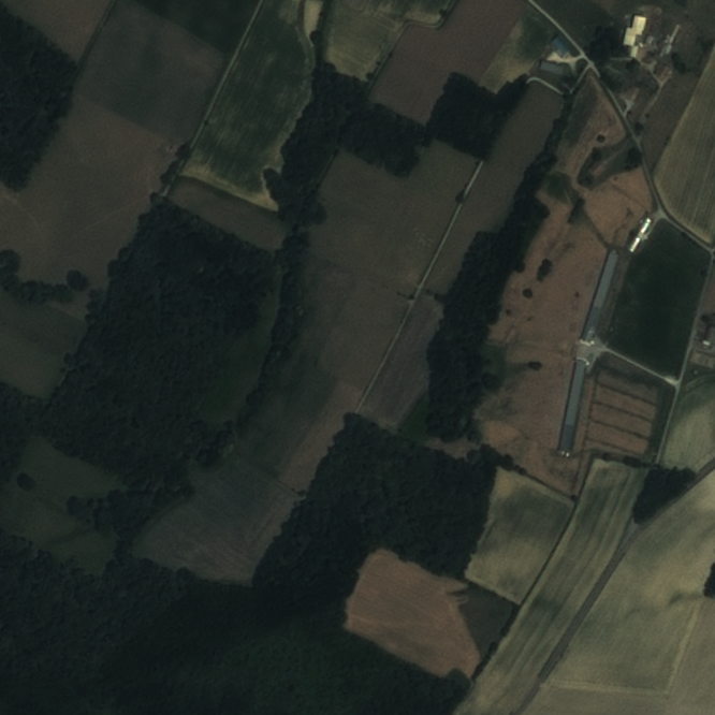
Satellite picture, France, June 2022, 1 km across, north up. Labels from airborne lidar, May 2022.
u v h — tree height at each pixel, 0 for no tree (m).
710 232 0
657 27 0
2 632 15
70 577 15
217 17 0
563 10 0
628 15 0
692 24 0
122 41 0
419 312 0
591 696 0
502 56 0
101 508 21
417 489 22
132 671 9
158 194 11
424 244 0
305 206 24
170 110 0
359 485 20
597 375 0
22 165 23
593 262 0
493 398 0
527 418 0
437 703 7
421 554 11
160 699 10
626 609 0
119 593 19
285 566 14
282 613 12
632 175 0
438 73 0
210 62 0
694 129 0
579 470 0
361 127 20
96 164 0
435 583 0
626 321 0
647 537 0
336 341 0
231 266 25
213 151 0
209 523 0
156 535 0
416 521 21
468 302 15
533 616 0
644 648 0
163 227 22
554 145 13
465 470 28
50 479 0
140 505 31
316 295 0
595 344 0
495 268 13
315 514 21
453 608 0
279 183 28
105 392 16
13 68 26
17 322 0
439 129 14
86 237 0
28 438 13
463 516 20
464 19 0
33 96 24
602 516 0
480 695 0
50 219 0
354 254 0
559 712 0
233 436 14
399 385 0
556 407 0
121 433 25
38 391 0
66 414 19
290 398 0
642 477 0
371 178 0
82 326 0
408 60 0
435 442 0
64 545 0
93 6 0
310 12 0
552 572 0
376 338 0
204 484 0
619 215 0
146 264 21
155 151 0
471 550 18
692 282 0
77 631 14
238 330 21
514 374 0
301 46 0
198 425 16
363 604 0
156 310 21
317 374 0
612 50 19
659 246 0
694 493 0
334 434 0
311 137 15
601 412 0
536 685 0
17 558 18
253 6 0
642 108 0
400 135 23
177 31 0
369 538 21
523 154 0
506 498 0
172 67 0
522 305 0
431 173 0
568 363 0
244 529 0
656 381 0
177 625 8
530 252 0
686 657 0
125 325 13
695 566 0
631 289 0
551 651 0
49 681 8
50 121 26
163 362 10
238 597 11
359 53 0
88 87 0
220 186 0
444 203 0
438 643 0
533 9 0
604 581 0
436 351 21
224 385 0
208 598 8
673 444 0
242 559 0
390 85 0
